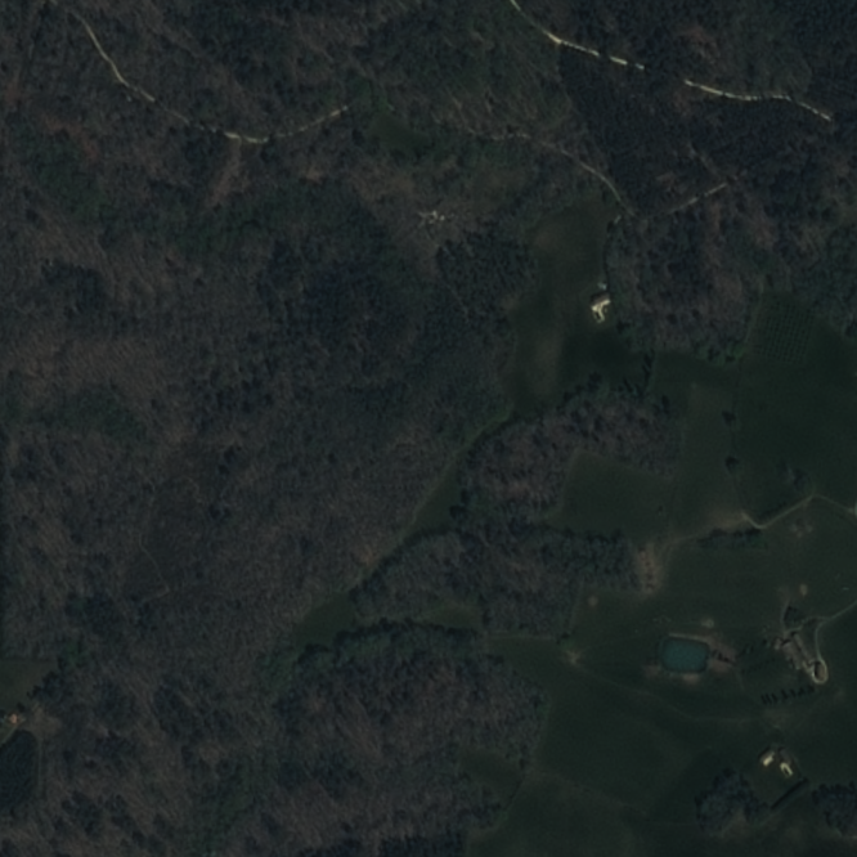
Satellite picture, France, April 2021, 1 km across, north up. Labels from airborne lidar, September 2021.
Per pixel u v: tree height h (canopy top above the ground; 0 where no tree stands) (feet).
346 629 0
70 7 27
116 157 63
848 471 0
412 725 43
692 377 0
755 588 0
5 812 47
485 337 66
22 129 80
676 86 61
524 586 54
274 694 76
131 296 54
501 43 65
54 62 43
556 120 59
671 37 53
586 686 0
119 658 59
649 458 23
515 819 0
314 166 39
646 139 45
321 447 49
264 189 65
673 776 0
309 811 58
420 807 32
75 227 76
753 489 0
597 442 38
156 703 59
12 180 31
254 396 75
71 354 56
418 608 52
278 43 88
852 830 61
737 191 52
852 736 0
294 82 71
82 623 82
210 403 52
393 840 30
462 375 73
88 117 56
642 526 0
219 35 70
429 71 73
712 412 0
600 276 0
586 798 0
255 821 61
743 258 70
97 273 58
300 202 69
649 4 71
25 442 55
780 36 62
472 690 85
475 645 83
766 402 0
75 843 45
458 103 69
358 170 37
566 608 45
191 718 88
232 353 54
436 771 52
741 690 0
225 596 47
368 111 48
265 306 32
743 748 0
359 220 60
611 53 47
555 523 0
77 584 65
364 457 45
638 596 29
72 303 63
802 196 85
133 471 39
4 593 35
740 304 44
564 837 0
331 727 70
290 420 54
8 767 49
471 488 66
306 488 33
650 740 0
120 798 54
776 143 44
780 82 52
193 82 44
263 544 44
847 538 0
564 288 0
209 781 81
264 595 32
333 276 50
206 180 71
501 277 69
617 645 0
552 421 52
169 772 60
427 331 37
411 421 47
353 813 49
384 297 78
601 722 0
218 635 57
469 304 63
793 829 0
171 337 42
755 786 0
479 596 85
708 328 41
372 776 67
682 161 28
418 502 56
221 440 31
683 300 22
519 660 0
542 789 0
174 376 50
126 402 58
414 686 88
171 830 60
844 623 0
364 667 72
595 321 0
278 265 58
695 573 0
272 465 38
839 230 45
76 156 52
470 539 26
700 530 0
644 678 0
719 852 0
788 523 0
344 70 52
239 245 34
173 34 64
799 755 0
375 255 40
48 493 52
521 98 58
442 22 75
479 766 0
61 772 48
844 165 32
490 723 36
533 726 55
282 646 61
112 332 33
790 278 55
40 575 69
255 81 89
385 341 74
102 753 63
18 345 42
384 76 65
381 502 50
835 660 0
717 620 0
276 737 66
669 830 0
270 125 52
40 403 66
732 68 80
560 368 0
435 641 73
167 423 56
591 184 34
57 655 48
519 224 68
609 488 0
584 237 0
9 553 71
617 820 0
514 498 39
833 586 0
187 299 50
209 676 45
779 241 51
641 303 46
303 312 39
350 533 49
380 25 51
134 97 38
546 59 65
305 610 56
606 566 40
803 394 0
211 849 73
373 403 68
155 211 64
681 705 0
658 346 68
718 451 0
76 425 53
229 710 60
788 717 0
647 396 39
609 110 51
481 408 73
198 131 51
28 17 50
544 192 31
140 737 58
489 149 71
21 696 0
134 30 65
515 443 35
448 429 54
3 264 38
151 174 56
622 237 51
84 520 38
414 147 0
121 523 38
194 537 19
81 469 68
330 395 39
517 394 0
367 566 62
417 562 68
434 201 0
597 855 0
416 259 0
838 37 77
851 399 0
